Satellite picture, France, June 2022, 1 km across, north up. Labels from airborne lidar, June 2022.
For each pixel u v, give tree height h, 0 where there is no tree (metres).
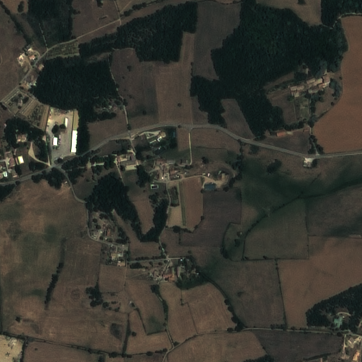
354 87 0
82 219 0
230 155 0
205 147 0
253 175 0
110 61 6
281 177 0
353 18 0
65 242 0
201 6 0
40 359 0
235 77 9
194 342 0
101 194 15
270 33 9
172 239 0
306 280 0
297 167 0
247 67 12
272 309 0
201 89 13
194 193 0
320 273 0
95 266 0
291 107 0
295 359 0
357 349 0
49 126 0
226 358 0
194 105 0
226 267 0
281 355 0
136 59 0
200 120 0
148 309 0
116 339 0
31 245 0
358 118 0
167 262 9
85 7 0
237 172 0
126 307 0
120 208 12
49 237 0
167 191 11
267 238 0
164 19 9
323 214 0
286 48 11
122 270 0
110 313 0
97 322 0
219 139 0
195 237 0
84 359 0
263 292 0
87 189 0
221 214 0
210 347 0
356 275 0
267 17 8
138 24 9
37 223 0
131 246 0
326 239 0
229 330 11
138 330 0
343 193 0
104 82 11
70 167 8
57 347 0
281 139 0
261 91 8
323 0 10
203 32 0
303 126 11
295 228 0
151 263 11
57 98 10
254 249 0
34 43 0
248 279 0
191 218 0
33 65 10
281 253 0
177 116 0
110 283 0
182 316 0
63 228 0
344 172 0
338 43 15
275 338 0
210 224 0
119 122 0
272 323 0
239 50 11
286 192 0
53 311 0
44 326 0
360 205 0
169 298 0
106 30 0
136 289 0
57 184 11
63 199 0
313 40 16
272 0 0
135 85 0
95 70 12
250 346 0
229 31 0
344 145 0
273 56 14
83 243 0
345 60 0
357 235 0
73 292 0
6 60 0
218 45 0
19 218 0
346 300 11
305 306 0
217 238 0
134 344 0
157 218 15
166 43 13
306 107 0
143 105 0
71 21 11
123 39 10
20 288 0
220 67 10
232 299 0
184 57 0
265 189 0
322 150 14
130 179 0
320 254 0
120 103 10
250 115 9
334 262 0
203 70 0
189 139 0
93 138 0
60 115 0
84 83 10
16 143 10
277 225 0
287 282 0
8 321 0
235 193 0
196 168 0
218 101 10
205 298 0
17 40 0
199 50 0
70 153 0
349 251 0
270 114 6
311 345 0
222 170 0
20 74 0
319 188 0
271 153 0
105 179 20
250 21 9
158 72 0
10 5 0
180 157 0
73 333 0
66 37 8
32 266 0
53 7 10
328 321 13
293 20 13
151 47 12
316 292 0
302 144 0
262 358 7
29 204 0
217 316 0
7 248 0
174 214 0
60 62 13
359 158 0
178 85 0
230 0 0
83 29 0
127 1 0
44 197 0
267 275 0
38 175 10
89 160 9
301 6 0
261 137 7
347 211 0
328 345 0
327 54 18
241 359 0
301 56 7
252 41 11
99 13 0
